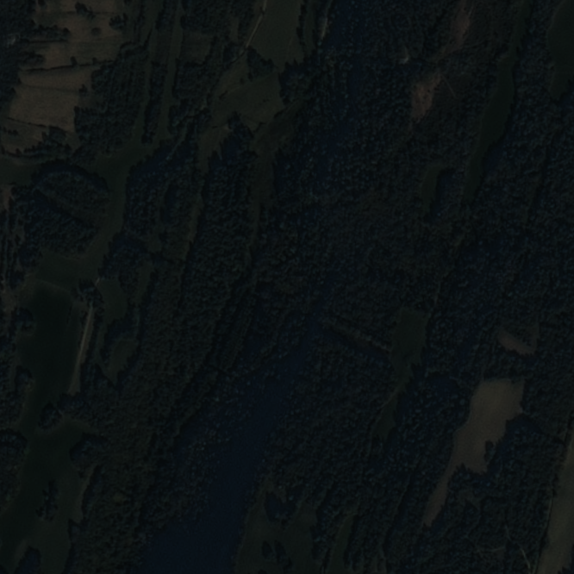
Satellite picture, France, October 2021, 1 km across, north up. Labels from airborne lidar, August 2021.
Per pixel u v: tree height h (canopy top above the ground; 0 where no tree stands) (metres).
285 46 0
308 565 0
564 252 12
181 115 14
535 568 10
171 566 22
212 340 10
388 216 12
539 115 7
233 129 7
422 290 13
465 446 0
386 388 20
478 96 8
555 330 17
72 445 0
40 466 0
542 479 9
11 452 16
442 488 0
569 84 0
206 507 19
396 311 18
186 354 21
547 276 11
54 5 0
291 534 0
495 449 8
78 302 12
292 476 8
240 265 22
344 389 19
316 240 13
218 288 23
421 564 12
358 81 13
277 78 0
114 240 0
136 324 18
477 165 0
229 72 16
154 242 0
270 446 13
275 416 9
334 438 8
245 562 0
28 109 0
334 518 11
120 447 15
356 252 8
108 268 9
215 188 12
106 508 21
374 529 19
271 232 21
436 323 14
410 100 15
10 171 0
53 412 11
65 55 0
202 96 11
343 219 5
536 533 13
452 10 10
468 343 7
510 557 8
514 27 11
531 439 14
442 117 6
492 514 11
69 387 0
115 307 0
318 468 13
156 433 15
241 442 17
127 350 0
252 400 22
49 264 0
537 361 9
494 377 10
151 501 26
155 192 15
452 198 21
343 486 15
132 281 15
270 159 0
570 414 10
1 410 13
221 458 20
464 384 8
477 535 9
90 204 9
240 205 24
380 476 20
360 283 15
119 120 8
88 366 8
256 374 16
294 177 17
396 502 13
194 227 0
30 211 16
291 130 0
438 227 19
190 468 21
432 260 13
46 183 13
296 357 11
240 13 12
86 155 12
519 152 10
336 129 11
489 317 17
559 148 11
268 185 0
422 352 0
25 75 0
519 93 12
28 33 12
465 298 8
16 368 0
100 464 12
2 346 16
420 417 8
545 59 7
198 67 8
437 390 7
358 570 16
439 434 15
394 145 13
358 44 20
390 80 19
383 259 17
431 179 0
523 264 13
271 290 19
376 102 17
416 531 8
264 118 0
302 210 11
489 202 14
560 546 0
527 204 9
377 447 9
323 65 16
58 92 0
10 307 0
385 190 17
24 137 0
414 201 9
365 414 12
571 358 7
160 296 15
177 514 15
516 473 11
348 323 9
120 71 9
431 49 8
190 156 21
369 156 10
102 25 0
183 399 12
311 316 11
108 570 16
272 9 0
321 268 18
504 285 18
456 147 15
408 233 17
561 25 0
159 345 16
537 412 11
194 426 8
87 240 13
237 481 16
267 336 18
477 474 0
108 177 0
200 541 16
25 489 0
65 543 0
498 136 0
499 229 17
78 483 0
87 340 0
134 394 18
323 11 20
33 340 0
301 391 15
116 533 25
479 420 0
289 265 17
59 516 0
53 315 0
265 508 0
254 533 0
